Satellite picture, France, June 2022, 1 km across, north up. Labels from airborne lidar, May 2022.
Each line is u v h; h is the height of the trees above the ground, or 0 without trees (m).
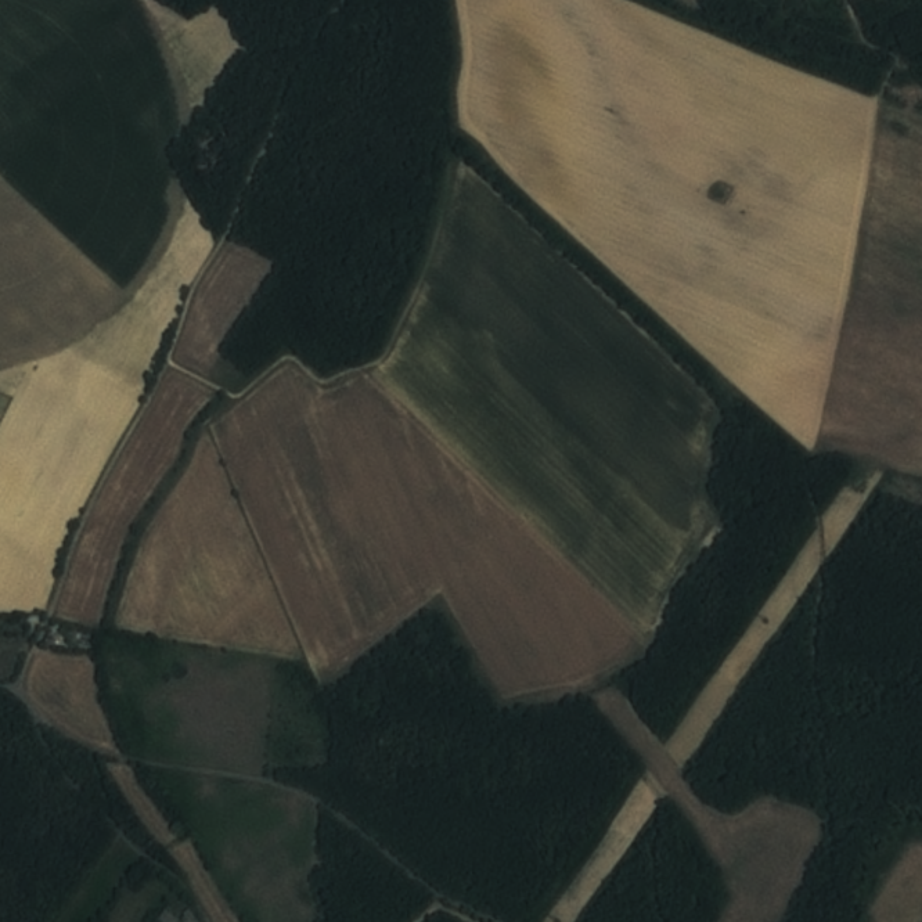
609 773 16
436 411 0
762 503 10
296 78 15
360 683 15
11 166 0
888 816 19
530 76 0
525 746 19
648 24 0
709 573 10
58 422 0
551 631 0
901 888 0
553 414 0
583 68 0
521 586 0
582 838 16
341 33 17
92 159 0
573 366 0
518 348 0
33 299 0
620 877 16
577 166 0
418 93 15
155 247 0
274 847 0
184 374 0
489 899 16
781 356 0
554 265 0
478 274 0
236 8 20
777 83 0
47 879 18
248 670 0
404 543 0
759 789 12
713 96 0
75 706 0
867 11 11
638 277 0
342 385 0
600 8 0
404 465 0
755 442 16
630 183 0
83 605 0
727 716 13
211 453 0
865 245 0
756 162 0
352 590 0
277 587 0
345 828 12
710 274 0
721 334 0
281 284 14
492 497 0
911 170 0
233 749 0
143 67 0
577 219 0
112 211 0
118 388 0
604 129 0
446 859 15
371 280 21
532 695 0
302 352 15
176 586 0
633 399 0
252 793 0
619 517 0
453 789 16
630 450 0
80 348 0
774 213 0
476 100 0
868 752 20
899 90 16
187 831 6
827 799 14
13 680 7
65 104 0
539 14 0
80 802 17
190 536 0
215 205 12
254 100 17
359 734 18
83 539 0
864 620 15
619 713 0
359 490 0
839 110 0
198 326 0
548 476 0
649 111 0
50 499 0
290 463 0
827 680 17
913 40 19
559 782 16
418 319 0
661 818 16
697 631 16
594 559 0
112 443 0
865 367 0
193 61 0
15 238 0
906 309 0
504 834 15
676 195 0
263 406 0
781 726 14
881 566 15
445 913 13
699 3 18
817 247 0
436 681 18
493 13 0
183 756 0
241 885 0
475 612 0
